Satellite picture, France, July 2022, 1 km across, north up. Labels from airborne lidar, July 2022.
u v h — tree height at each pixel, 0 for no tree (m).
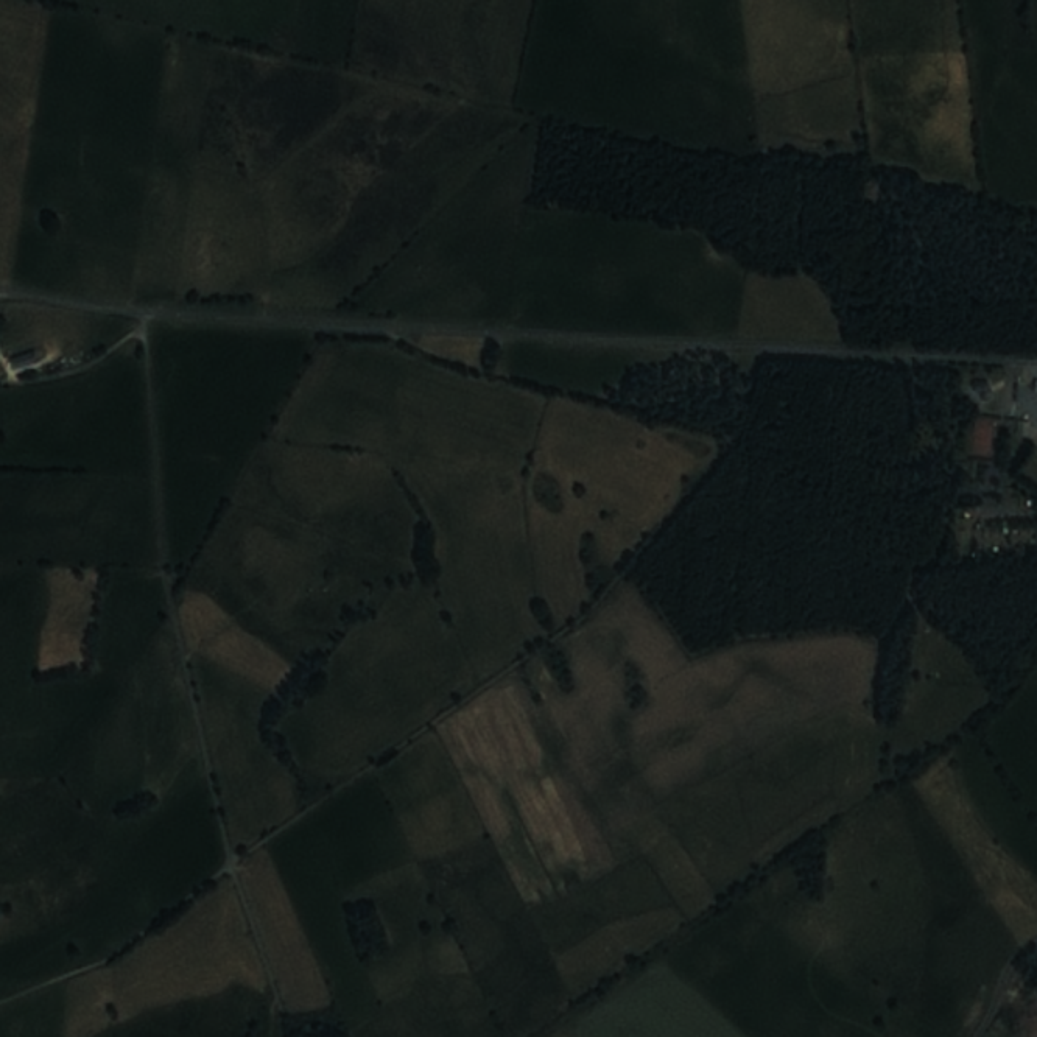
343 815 0
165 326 0
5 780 0
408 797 0
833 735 0
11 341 0
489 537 0
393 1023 0
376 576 0
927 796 0
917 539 20
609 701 0
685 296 0
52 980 0
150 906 0
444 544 0
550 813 0
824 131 0
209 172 0
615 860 0
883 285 21
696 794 0
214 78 0
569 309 0
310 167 0
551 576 0
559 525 0
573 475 0
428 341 0
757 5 0
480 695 0
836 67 0
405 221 0
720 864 0
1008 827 0
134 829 0
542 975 0
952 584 20
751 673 0
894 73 0
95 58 0
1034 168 0
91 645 15
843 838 0
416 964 0
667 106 0
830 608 13
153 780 0
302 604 0
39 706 0
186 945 0
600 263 0
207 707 0
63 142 0
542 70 0
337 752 0
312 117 0
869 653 0
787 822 0
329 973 0
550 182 11
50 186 0
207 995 0
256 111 0
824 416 16
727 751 0
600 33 0
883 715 24
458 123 0
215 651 0
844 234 18
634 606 0
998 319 13
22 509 0
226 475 0
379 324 0
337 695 0
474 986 0
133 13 0
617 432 0
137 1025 0
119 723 0
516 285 0
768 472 14
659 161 12
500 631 0
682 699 0
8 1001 0
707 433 13
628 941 0
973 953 0
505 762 0
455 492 0
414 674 0
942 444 25
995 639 17
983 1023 0
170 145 0
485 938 0
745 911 0
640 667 0
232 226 0
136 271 0
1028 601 23
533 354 0
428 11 0
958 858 0
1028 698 0
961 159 0
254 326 0
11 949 0
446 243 0
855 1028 0
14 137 0
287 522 0
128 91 0
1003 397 0
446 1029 0
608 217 9
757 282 0
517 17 0
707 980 0
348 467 0
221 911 0
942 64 0
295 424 0
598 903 0
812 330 0
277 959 0
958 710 0
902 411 18
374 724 0
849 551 13
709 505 11
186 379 0
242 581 0
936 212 22
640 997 0
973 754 0
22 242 0
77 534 0
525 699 0
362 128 0
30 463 0
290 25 0
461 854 0
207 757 0
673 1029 0
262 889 0
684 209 10
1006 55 0
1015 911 0
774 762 0
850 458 20
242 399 0
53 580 0
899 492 21
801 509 12
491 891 0
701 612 11
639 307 0
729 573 14
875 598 15
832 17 0
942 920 0
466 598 0
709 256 0
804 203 12
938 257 24
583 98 0
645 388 22
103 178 0
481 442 0
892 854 0
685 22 0
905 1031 0
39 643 0
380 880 0
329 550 0
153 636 0
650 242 0
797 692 0
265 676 0
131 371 0
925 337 13
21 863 0
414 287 0
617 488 0
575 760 0
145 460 0
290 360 0
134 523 0
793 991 0
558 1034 0
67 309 0
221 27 0
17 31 0
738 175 10
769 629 10
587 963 0
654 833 0
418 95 0
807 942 0
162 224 0
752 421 16
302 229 0
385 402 0
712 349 0
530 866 0
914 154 0
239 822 0
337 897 0
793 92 0
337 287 0
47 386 0
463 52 0
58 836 0
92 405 0
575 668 0
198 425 0
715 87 0
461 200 0
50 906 0
